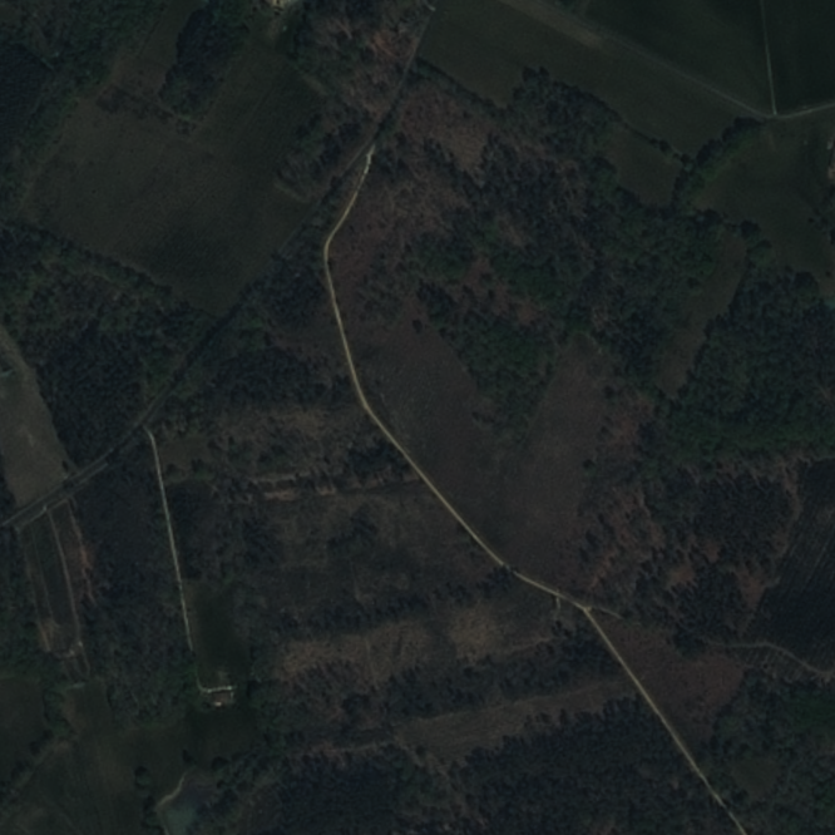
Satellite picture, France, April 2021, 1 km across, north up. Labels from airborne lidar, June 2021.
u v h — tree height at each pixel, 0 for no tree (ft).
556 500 0
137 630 50
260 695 65
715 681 0
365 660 0
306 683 54
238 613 53
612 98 0
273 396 50
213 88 63
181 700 52
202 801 0
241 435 0
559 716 0
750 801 32
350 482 58
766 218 0
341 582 0
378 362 0
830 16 0
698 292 50
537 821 59
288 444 48
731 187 0
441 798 61
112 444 54
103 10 53
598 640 19
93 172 0
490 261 29
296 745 61
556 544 0
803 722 54
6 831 0
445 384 0
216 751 0
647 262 49
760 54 0
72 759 0
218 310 0
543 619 0
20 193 40
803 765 51
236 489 37
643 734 73
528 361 62
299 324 56
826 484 23
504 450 0
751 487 62
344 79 53
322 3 52
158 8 29
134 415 58
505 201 75
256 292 48
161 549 49
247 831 0
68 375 70
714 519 64
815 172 0
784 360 76
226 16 63
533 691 61
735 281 0
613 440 44
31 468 0
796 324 59
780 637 20
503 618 0
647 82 0
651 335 59
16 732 0
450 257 52
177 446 0
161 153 0
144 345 61
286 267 44
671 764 75
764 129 35
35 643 58
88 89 51
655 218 67
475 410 0
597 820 55
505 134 53
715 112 0
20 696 0
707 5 0
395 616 52
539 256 68
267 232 0
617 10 0
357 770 36
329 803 69
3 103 58
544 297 55
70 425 23
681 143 0
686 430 76
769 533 50
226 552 41
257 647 40
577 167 33
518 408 57
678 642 24
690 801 71
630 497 36
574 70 0
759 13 0
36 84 60
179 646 51
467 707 57
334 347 0
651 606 56
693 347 0
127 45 49
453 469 0
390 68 31
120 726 50
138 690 54
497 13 0
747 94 0
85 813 0
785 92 0
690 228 83
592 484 20
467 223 74
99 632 53
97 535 22
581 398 0
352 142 53
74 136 0
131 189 0
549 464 0
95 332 47
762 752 21
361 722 51
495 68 0
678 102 0
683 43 0
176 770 0
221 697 0
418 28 58
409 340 0
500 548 0
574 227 67
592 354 0
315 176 48
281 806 28
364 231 22
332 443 29
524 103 62
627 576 42
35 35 37
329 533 0
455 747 0
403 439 0
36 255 89
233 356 37
